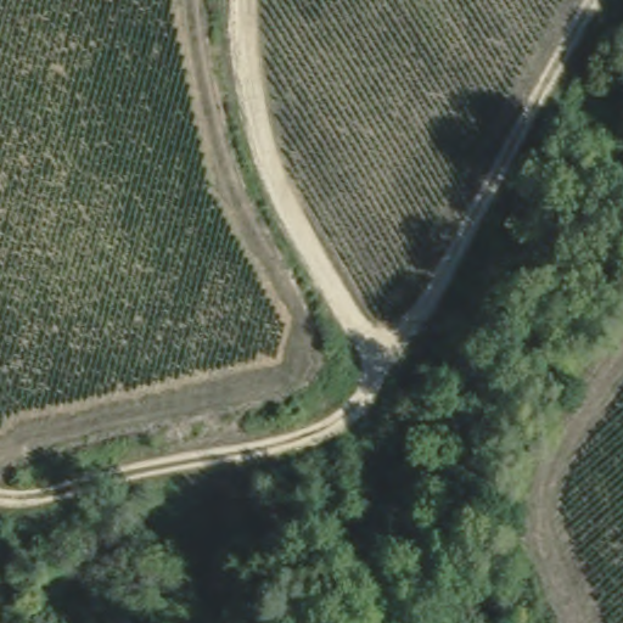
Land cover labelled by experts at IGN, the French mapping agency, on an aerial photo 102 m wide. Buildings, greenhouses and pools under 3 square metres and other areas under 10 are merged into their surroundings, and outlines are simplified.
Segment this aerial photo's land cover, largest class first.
<instances>
[{"label":"vineyard","instance_id":"1","mask_svg":"<svg viewBox=\"0 0 623 623\"><path fill-rule=\"evenodd\" d=\"M282 321L270 299L265 297L253 273V265L243 256L236 236L231 234L219 209V202L207 190L202 148L190 105L170 0H0V423L5 416L24 409L66 404L85 397L107 394L122 387L134 389L139 385L161 382L165 377L190 375L195 370L224 367L253 360L256 355H275L277 350ZM574 10H584L582 0H258V49L263 61L265 100L273 136L282 156L285 173L299 192L307 221L312 224L326 258L331 260L336 275L341 277L343 287L358 307H363V299L367 294L380 292L387 302H402V307L409 312L428 285L426 275L411 273L414 268L433 270L438 265V260L445 256V248L450 246L448 241H440V234H458V224H453L455 214L467 209V204L482 187V180H489L494 173H504L511 180L516 168V153L523 148L509 131L523 114V102L528 100L540 71L545 68L550 51H562L565 49L567 17ZM562 523L569 533L574 557L582 562V572L591 586V599L599 604L601 623H623V382L613 402L606 406L604 416L589 428L586 440L577 448V458L562 479L560 494Z\"/></svg>","mask_w":623,"mask_h":623},{"label":"coniferous trees","instance_id":"2","mask_svg":"<svg viewBox=\"0 0 623 623\"><path fill-rule=\"evenodd\" d=\"M623 27V0H599V10H594L591 19L586 22L582 41L574 49H565L562 51V75L550 95V100L562 107V112L555 117V134L550 136L548 146L535 144L531 148H523L516 153V168L511 180L506 187H499L494 200L489 202V209L479 221L433 314L421 324L419 333L404 343L402 355L385 375V382L375 399L365 404L360 419H353L341 433L316 445H307L282 455H253L251 460L241 462L221 460L195 472L148 477L139 482H129L119 467L97 465L100 484L83 492L80 501L68 499L46 506L0 509V623H414V606L421 599L431 596L438 586V569L443 557H450L455 572L465 579H472V572L477 567L479 572L489 574L492 582V594L475 606H465L455 623H557L528 550L518 545V540L526 538L528 526L523 531H513L509 526L494 528L489 526V516L477 511L472 504L479 501L484 484L496 479V489L501 494L511 496L513 501L528 504L535 465L545 458V453H550L562 440V423L572 414L560 409V402L567 399L569 392L565 375L569 372L584 380V365H596L601 355L608 353L611 346L623 336V80L608 85L606 95H591L586 100L582 97V83L591 80L589 61L596 54V46L601 41H613L618 37V29ZM355 438L372 443V448L363 453L360 475V499L365 501V511L355 518H348L343 526L331 516H319L314 521L307 518V504L297 501V489L319 479L326 482L336 475L341 477L343 448Z\"/></svg>","mask_w":623,"mask_h":623},{"label":"herbaceous vegetation","instance_id":"3","mask_svg":"<svg viewBox=\"0 0 623 623\"><path fill-rule=\"evenodd\" d=\"M190 105L202 148L207 190L219 202V209L231 234L236 236L243 256L253 265V273L265 297L270 299L282 321L277 350L275 355H256L253 360L224 367L195 370L190 375L165 377L161 382L139 385L134 389L122 387L107 394L85 397L66 404L24 409L5 416L0 423V487H5L2 470L7 465L24 460L37 448L68 453L78 460L80 453L95 450L100 440L119 438L124 433H148L151 440L156 436H168L165 448L173 453L251 440L238 428L243 411L260 409L265 402H277L285 397L297 399L299 392L309 389L321 377L324 350H314L312 346V336L307 333L304 324L307 299L299 292V285L292 270L287 268L282 253L275 248L270 229L258 219L256 204L246 192L243 175L236 165V156L226 136L224 102L238 100L229 37L221 44L209 41L214 15L209 0H170ZM589 385L586 402L577 414H572L562 423V440L550 453H545V458L535 465L528 504V526L526 538L518 540V545L528 550L557 623H601L599 604L591 599V586L582 572V562L574 557L569 533L562 523L560 494L562 479L577 458V448L586 440L589 428L604 416L606 406L613 402L623 382V336L611 346L608 353L601 355L596 365H584V380Z\"/></svg>","mask_w":623,"mask_h":623},{"label":"pervious surface","instance_id":"4","mask_svg":"<svg viewBox=\"0 0 623 623\"><path fill-rule=\"evenodd\" d=\"M238 100L253 163L258 168L268 200L287 238L294 243L302 263L307 265L314 287L329 304L331 314L336 316L343 331H353L348 336V346L353 365L360 372V389L350 394V404H346V411H333L326 419H319L309 426H299L287 433L251 440L173 453L124 462L119 467L129 482H139L148 477L195 472L221 460L241 462L251 460L253 455H282L307 445H316L341 433L353 419H360L365 404L375 399L385 382V375L402 355L404 343L419 333L421 324L433 314L479 221L489 209V202L494 200L499 187H506L511 180L504 173H494L489 180H482V187L467 204V209L455 214L453 224H458V234H440V241H448L450 246L445 248V256L438 260V265L433 270L414 268L411 273L426 275L428 285L409 312L402 307V302H387L380 292L367 294L363 299V307H358L343 287L341 277L336 275L331 260L326 258L312 224L307 221L299 192L285 173L282 156L273 136L265 100L263 61L258 49V0H229V37ZM584 10H574L567 17L565 49H574L582 41L586 22L591 19L594 10H599V0H582ZM562 75V51H550L545 68L540 71L528 100L523 102V114L509 131L523 148H531L535 144L548 146L550 136L555 134V117L562 112V107L550 100V95ZM85 472L80 477L56 482L51 489L5 487H0V509L46 506L68 499L80 501L83 492L100 484L97 465H83Z\"/></svg>","mask_w":623,"mask_h":623},{"label":"brushwood","instance_id":"5","mask_svg":"<svg viewBox=\"0 0 623 623\"><path fill-rule=\"evenodd\" d=\"M214 15L209 41L221 44L229 37V0H209ZM226 136L236 156V165L243 175L246 192L256 204L258 219L270 229L275 248L282 253L287 268L292 270L299 285V292L307 299L304 324L307 333L312 336V346L314 350H324L321 377L309 389L299 392L297 399L285 397L277 402H265L260 409L243 411L238 428L251 440L287 433L299 426H309L319 419H326L333 411H346V404H350V394L360 389V372L353 365L348 346V336L353 331H343L336 316L331 314L329 304L314 287L307 265L302 263L294 243L287 238L268 200L258 168L253 163L238 100L224 102ZM168 436H156L151 440L148 433H124L119 438L100 440L95 450L80 453L78 460L68 453L37 448L24 460L7 465L2 470L5 487L51 489L56 482L80 477L85 472L83 465H97L119 467L124 462L173 453L165 448Z\"/></svg>","mask_w":623,"mask_h":623},{"label":"deciduous trees","instance_id":"6","mask_svg":"<svg viewBox=\"0 0 623 623\"><path fill-rule=\"evenodd\" d=\"M591 80L582 83V97L586 100L591 95H606L608 85L623 80V27L618 29V37L613 41H601L596 46V54L589 61ZM569 392L567 399L560 402V409L572 414H577L586 402L589 385L584 380L569 372L565 375ZM372 448V443L355 438L343 448L341 477L336 475L326 482L319 479L297 489V501L307 504V518L314 521L319 516H331L343 526L348 518H355L365 511V501L360 499V475L363 453ZM477 511L489 516V526L494 528L509 526L513 531H523L528 526V504L513 501L511 496L501 494L496 489V479L484 484L479 501L472 504ZM492 594V582L489 574L479 572L477 567L472 572V579H465L455 572L450 557H443L438 569V586L431 596L421 599L414 606V623H455L465 606H475Z\"/></svg>","mask_w":623,"mask_h":623}]
</instances>
